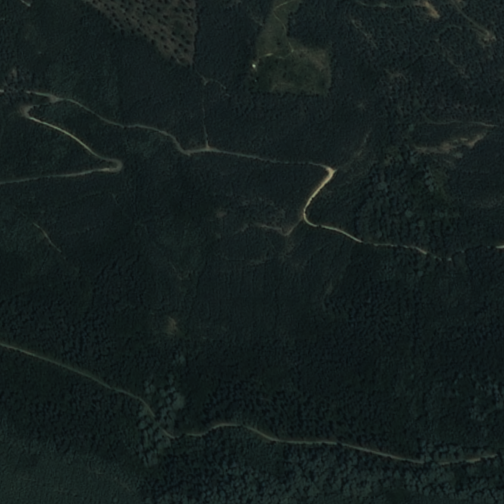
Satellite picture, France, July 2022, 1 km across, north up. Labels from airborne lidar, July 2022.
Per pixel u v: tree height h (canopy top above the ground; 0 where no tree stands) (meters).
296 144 13
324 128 8
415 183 19
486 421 17
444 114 16
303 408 26
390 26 17
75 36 6
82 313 8
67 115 14
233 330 10
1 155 9
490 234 14
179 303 11
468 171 7
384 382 17
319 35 14
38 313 23
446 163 7
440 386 19
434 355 15
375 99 16
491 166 8
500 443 13
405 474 23
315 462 29
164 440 34
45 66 7
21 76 16
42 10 9
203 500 31
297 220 15
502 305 10
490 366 20
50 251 12
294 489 35
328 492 25
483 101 15
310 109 18
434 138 11
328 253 15
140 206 16
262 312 8
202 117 8
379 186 30
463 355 19
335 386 22
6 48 18
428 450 31
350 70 17
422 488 30
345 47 19
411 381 16
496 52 15
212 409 22
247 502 35
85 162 8
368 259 22
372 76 11
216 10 22
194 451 12
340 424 11
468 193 12
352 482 35
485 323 8
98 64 8
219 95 9
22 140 8
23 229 13
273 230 7
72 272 10
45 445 16
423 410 10
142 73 13
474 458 0
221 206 7
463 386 15
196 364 9
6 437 14
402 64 15
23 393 11
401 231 19
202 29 21
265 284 10
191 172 16
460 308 9
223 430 14
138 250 18
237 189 13
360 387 18
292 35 21
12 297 14
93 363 27
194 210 18
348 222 12
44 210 7
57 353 18
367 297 14
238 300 13
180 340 9
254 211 15
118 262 23
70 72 12
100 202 9
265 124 13
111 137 10
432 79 21
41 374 15
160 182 8
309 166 11
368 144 12
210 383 8
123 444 17
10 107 8
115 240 13
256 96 21
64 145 11
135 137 9
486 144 13
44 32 9
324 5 9
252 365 19
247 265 10
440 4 15
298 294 12
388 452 28
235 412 20
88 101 8
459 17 15
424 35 16
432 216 8
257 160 12
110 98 13
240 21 17
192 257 10
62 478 11
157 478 16
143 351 10
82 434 22
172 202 12
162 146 8
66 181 8
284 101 19
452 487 35
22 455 11
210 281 10
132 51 15
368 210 30
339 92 17
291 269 8
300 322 13
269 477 34
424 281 17
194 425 16
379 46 12
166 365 16
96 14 13
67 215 11
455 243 17
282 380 14
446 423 22
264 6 14
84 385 21
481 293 12
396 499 12
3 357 12
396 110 20
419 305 21
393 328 23
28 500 13
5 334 12
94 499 13
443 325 11
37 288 9
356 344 17
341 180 13
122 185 9
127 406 23
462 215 11
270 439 0
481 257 24
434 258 28
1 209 12
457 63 11
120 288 24
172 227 10
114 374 20
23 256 13
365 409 29
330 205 17
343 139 9
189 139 9
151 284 16
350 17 12
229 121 13
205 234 8
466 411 20
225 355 10
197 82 10
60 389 19
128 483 14
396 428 18
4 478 12
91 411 8
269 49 0
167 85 14
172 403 39
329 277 9
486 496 32
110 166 7
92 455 19
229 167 9
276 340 8
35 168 9
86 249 13
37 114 10
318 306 10
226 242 9
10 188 12
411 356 9
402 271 13
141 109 17
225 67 15
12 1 19
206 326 7
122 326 16
